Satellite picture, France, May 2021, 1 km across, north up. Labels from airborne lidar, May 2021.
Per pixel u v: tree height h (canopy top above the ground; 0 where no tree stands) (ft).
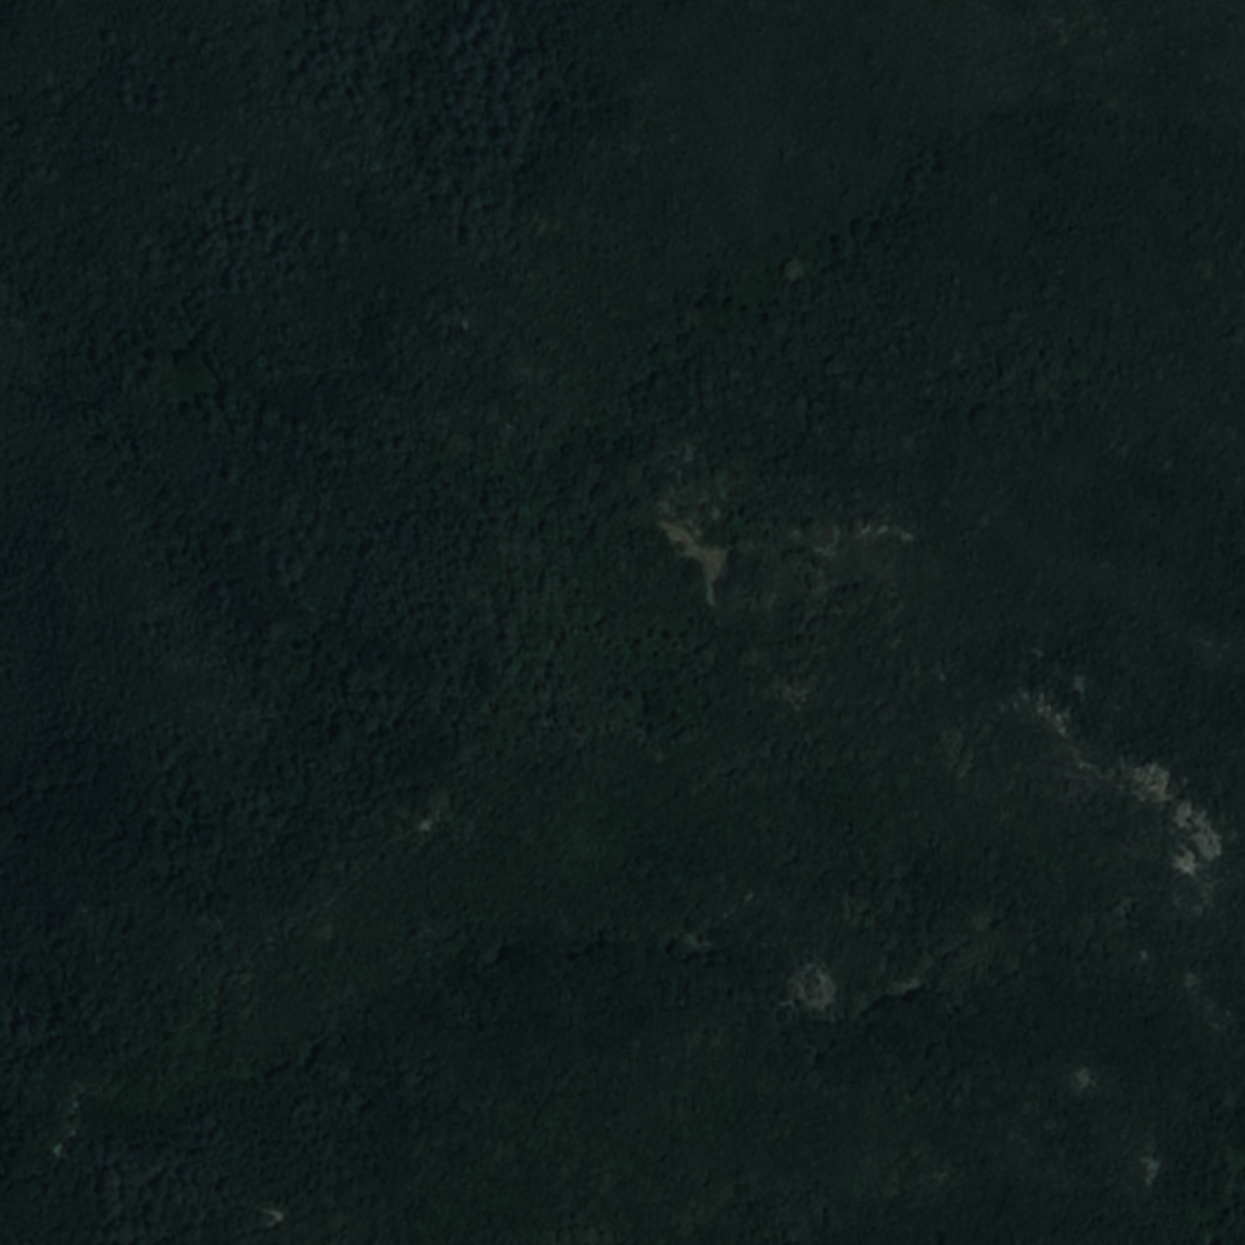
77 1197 54
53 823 59
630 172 31
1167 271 28
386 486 31
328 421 44
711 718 25
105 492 35
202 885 30
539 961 64
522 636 39
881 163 27
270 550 30
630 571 23
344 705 25
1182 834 19
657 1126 28
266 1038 23
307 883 23
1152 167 28
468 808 34
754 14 20
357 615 54
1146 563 35
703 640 20
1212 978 48
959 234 23
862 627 24
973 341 28
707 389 35
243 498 31
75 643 33
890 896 36
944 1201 32
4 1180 47
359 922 30
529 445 45
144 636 31
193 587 41
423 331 29
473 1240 44
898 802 24
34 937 26
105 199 35
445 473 18
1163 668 34
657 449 35
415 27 42
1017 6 21
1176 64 22
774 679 30
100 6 31
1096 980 43
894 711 34
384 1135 53
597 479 30
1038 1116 22
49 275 31
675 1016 48
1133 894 31
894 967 38
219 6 30
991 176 20
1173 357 31
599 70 33
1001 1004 66
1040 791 46
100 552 19
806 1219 55
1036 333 31
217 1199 60
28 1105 64
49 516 34
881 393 26
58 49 33
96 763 40
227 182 33
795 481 37
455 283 28
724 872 31
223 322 42
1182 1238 31
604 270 26
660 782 26
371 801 34
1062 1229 46
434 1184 31
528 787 21
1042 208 45
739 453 39
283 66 27
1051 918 33
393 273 23
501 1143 41
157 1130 37
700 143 23
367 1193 38
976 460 21
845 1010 44
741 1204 26
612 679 25
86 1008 62
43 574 29
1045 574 19
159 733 37
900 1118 32
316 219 27
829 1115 30
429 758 43
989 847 31
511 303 21
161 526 60
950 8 19
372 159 34
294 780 51
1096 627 43
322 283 31
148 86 32
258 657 35
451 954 50
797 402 53
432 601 53
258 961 23
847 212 22
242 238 67
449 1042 46
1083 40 25
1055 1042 71
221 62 29
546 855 26
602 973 62
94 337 54
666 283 23
